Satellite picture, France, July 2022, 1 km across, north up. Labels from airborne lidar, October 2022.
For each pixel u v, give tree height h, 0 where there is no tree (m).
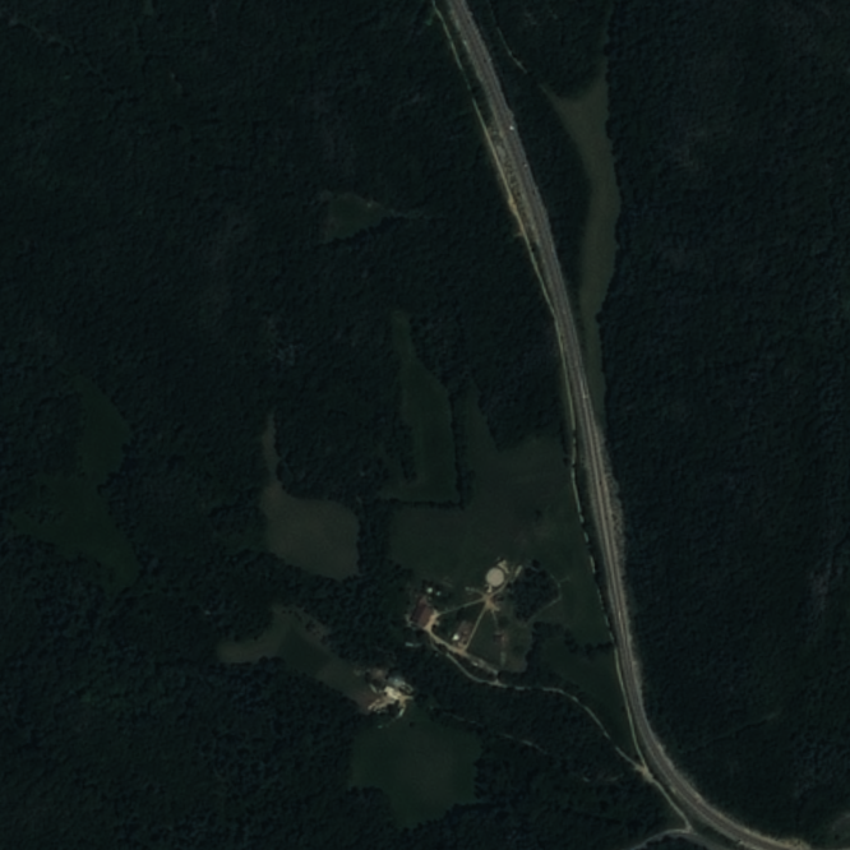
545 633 18
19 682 14
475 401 0
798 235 12
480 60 0
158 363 14
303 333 15
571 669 0
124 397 11
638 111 15
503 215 17
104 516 0
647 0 20
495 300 14
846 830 0
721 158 13
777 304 10
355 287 14
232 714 19
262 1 14
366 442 14
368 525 12
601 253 0
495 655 0
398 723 0
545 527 0
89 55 18
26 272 18
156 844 22
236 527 16
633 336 14
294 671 6
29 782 13
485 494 0
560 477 0
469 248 13
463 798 0
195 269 9
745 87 14
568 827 14
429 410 0
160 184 11
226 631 15
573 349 0
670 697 13
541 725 11
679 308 8
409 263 15
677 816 0
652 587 17
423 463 0
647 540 14
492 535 0
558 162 14
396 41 13
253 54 16
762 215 12
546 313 15
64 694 11
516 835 30
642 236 22
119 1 7
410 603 10
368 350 10
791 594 20
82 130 14
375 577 17
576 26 11
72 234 17
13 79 10
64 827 6
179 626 10
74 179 16
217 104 18
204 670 31
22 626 21
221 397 12
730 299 24
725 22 11
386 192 7
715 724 11
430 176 15
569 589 0
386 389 10
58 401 16
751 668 16
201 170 16
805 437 21
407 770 0
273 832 20
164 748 11
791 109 19
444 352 23
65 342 10
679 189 12
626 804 25
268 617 11
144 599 7
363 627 15
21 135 8
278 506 0
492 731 17
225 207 16
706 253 7
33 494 15
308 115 8
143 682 21
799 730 13
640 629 6
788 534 19
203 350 10
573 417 0
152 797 18
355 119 8
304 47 19
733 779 8
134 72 11
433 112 17
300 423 11
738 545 17
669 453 14
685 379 14
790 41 7
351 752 14
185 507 8
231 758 32
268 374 18
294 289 16
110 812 21
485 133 0
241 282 13
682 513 12
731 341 10
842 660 12
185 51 9
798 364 8
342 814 18
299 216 21
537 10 14
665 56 14
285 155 15
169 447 6
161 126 17
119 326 16
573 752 11
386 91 11
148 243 12
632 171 23
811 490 23
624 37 24
